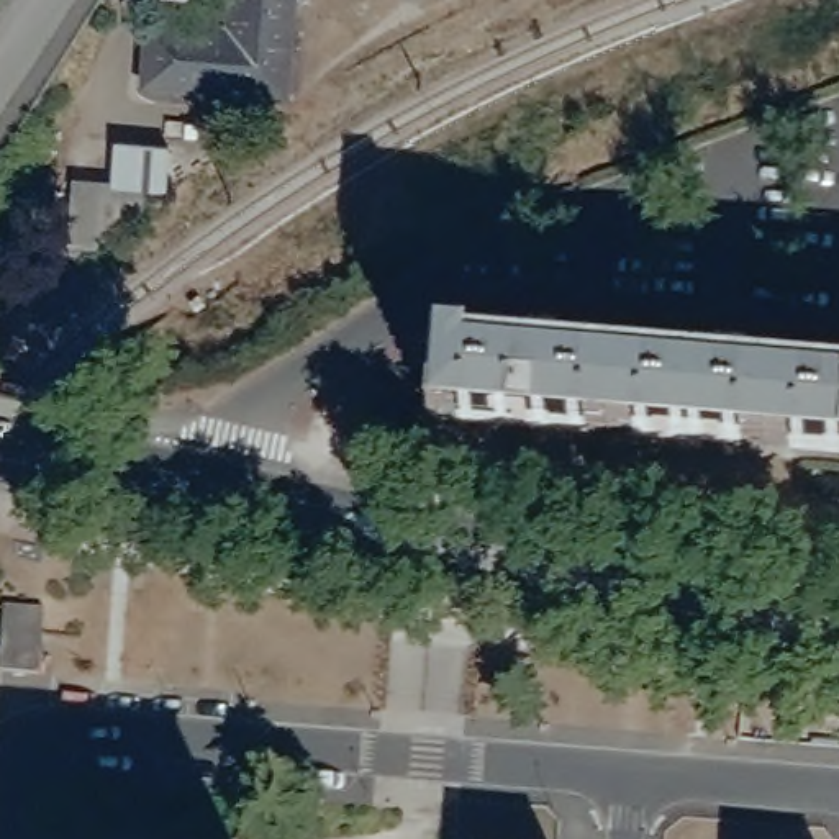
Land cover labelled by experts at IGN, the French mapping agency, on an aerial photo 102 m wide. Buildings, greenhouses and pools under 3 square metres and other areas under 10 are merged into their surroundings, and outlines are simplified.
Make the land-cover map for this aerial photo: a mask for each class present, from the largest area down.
<instances>
[{"label":"impervious surface","instance_id":"1","mask_svg":"<svg viewBox=\"0 0 839 839\"><path fill-rule=\"evenodd\" d=\"M92 0H0V151L10 147L13 134L20 131L23 118L29 115L33 102L43 95L49 75L62 66L79 29L88 23ZM75 98L82 102L72 111L79 118L75 144L69 151L75 167H66V180L72 184H108L118 144L164 147L174 164V174L167 180L177 187L190 184V177L200 170L216 167L203 141L197 138V125L213 115V102L200 88L187 95V102L147 98L138 88V75L131 72V49L118 36L115 43L105 39L98 46L92 62V82L75 92ZM819 105L826 111L829 138L839 141V85L816 95ZM760 138L751 125L744 121L737 128H724L688 144L698 154L695 170L708 177L714 193L708 223H678L669 229L652 226V220L642 216V206L626 197V190L633 187L629 174L616 170L613 161H603L574 174L570 184H554L547 177L521 170L505 154L495 157V164L485 170L495 190H505L515 200V193H531L537 197L534 210L544 213L554 206H574L577 216L567 223H554L547 229H537L524 220L501 223V216H495L498 249L478 265L482 279L462 298L452 285H446V279H429L420 292L416 315L397 338L390 334L377 302L367 311H361L354 321L338 328L321 344L302 357L279 364L262 380L216 403V416H197L180 423L170 416L164 420L161 410L147 423L151 442L157 449L121 472V485L128 492L144 495L147 505H161L170 492L190 498L206 495L216 505L223 495H243L246 488L262 482L275 495H285V508L298 531H315L321 537L331 528H344L354 537V551L364 557H380L383 541L367 518V492H354V482L338 459L347 456L354 433L367 426L383 397L403 390L416 393L423 387V370L429 367L426 344L433 305H459L465 311L485 315L724 331L839 344V147L829 157V174H806L813 187H826L816 206L803 216H777L773 203H780V197L790 190V180L777 177V161L764 154V147H757ZM59 449L52 433L33 426V400L20 403L0 397V485L7 482L10 492L36 478V465ZM141 551L131 541L118 544L111 570L105 646V682L111 688L121 682L128 577L125 560ZM501 544L488 547L482 541L462 551H442L446 574H452L456 580L501 577L528 596L541 590L547 570L541 564L534 570H515L501 557ZM626 567H574L567 583L580 593L593 587L600 606L613 610V593L623 590ZM665 610L672 613L675 626H688L701 616L705 606L698 603L692 587H682L678 596H665ZM734 626L741 633H777L780 639L770 646V655L793 652L800 636L796 619H790L777 606H767L757 613H737ZM475 655V646L465 626H459L456 619H442L429 646L410 642L406 633L397 629L390 636L387 708L377 718L364 714L361 708H318L282 701L249 708L229 682L216 695L200 688H170L144 701L134 692L95 695V688L75 682L52 685L49 678L56 675V659L49 652L39 659L36 669L0 665V839H229L226 826L213 810V796L239 800V773L246 754L275 751L279 757L295 760L298 770H321L315 806L324 810L328 803H351V810H361L364 803H374L403 810L397 829L344 839H439L446 790L524 793L531 800V810L551 806L557 813V839H665L675 819L701 816L718 823L724 806L800 813L806 819V829L823 826L832 832V839H839V751L793 747L787 744H767L751 737V744L741 747L721 741L718 747H705L701 737L574 724L541 731L511 728V721H465V714L459 711L462 672Z\"/></svg>","mask_w":839,"mask_h":839},{"label":"deciduous trees","instance_id":"2","mask_svg":"<svg viewBox=\"0 0 839 839\"><path fill-rule=\"evenodd\" d=\"M233 16L229 0H92L88 23L92 29L131 26L134 46H151L164 39L177 49L213 46L220 26ZM197 138L203 141L216 167V177L236 180L243 164L262 161L272 151L285 147V125L275 108H226L223 102H213V115L197 125ZM760 138L757 147H764V154L777 161V177L790 180V190L780 197V203H773L777 216H803L816 206L826 187H813L806 174H829V157L839 147V141L829 138L826 111L819 105V111L806 118L767 108L764 125H751ZM698 154L688 144H678L672 161H655L652 154H642L639 170L629 174L633 187L626 190V197L642 206V216L652 220V226L669 229L678 223H708L714 193L708 177L695 170ZM72 259L69 206H36L33 200H23L10 190L7 206L0 210V315L33 305L36 298L56 292ZM537 197L531 193H515V200L501 210V223L524 220L537 229H547L554 223H567L577 216L574 206H554L544 213L534 210ZM154 223L151 213L138 206L121 210L118 223H111L102 233L98 252L102 259L131 262L134 246L144 236H151ZM374 288L357 262L351 265L347 279H334L324 288H302L298 305L275 311L265 331L256 341L239 344L233 354H216L197 364L177 354V344L170 338H157L154 331L144 338H131L128 344L92 338L95 347L85 354V361H79L69 377L56 380L49 393L33 400V426L52 433L59 449L36 465V478L10 492L13 511L26 518V524L36 531V551L66 557L69 577L92 583L95 574L111 570L118 544L131 541L141 551L125 560L128 577L144 574L147 564H157L167 574L187 580L190 596L210 610L220 606L223 593H236V610L243 613H256L262 600L279 596L292 600V610L311 613L318 629H324L331 616L341 623V629H361L364 623L377 626L383 619H390L397 629L406 633L410 642L429 646L442 619H456L459 626H465L475 646L501 639L518 642L524 636L531 642L528 652L518 649V659L508 672L488 682L492 701L501 711H508L511 721V728L541 731L544 705L541 682L534 672L544 665H574L610 701H623L633 692H649V711H665L669 698H688L705 731H714L724 718L741 721L767 701L773 711V724L783 728L787 744L793 747L800 741V724H816L826 714H839V511L787 505L777 495L780 478L773 475L760 488H678L662 465H633L623 472H610L603 462L577 456L567 469H560L537 449H518L515 459L492 462L485 452H475L469 446H436L429 439V429L423 426H367L354 433L347 456L338 459L354 482V492H367V518L383 541L380 557H364L354 551V537L344 528H331L321 537L315 531H298L285 508V495H275L262 482L246 488L243 495H223L216 505L206 495L190 498L170 492L161 505H147L144 495L128 492L121 485V472L157 449L151 442L147 423L161 410V393L236 380L239 374L272 361L275 354L292 351L308 334H315L321 344L338 328L354 321L361 311L357 302L370 298ZM482 541L488 547L501 544V557L515 570H534L541 564L547 570L541 590L528 596L501 577L456 580L452 574H446L442 551H462ZM574 567H626L623 590L613 593V610L600 606L593 587L580 593L567 583ZM682 587H692L698 603L705 606L701 616L688 626H675L672 613L665 610V596H678ZM767 606H777L790 619H796L800 636L793 652L770 655V646L780 639L777 633H741L734 626L737 613H757Z\"/></svg>","mask_w":839,"mask_h":839},{"label":"herbaceous vegetation","instance_id":"3","mask_svg":"<svg viewBox=\"0 0 839 839\"><path fill-rule=\"evenodd\" d=\"M397 0H298L295 13L302 85L288 95L285 105L275 108L285 125V147L272 151L262 161L243 164L236 180L216 177V167L200 170L190 177V184L177 187L167 216H157L154 223L151 236H144L134 246L131 262L138 269L141 262L161 259L190 233H197V226L216 220L226 206L249 197L262 180L282 174L285 167L305 161L311 151L331 141L341 147L338 197L295 216L259 249L243 256L233 265V279L220 292L200 285L187 288L174 308L157 311L161 324L154 331L157 338H170L177 344V354L197 364L216 354H233L239 344L256 341L265 331L275 311L298 305L302 288H324L334 279H347L351 265L357 262L374 288L370 298L357 302L361 311H367L377 302L390 334L397 338L416 315L420 292L429 279H446V285H452L462 298L482 279L478 265L498 249L495 216H501V210L515 200L505 190H495L485 170L449 164L436 154L449 138L462 134V125L449 128L446 134H433L420 151H403L374 144L364 134V121L416 95L423 85L462 72L478 59H488L492 52L501 56L508 43L524 39L528 33L541 36L544 29L564 23L583 0H413L420 7L416 23L400 26L397 33L370 43L364 29H370ZM744 16H728L721 23H682L669 33L646 36L606 56H596L577 72L528 85L521 95H541L544 102L557 98L564 105V115H577L583 108H596L600 115L596 121H587L583 131L570 134L567 144L547 157V177L554 184H570L574 174L603 161H613L616 170L629 174L639 170L642 154H652L655 161H672L678 144L675 131L698 128L711 118L744 111V121L751 125H764L767 108L806 118L819 111V105L816 95L839 85V36L823 43L816 56L806 59V66L787 69L783 79H770L754 66H741V85H728L724 105H714L708 95H698L692 102V115L675 118L669 108V95L659 92L662 79L675 72H698L705 59L721 62L734 52H747L757 26L787 20V10L796 0H744ZM118 36L131 49L134 46L131 26L92 29L88 23L79 29L62 66L49 75L46 85H69V105L56 111V141L49 154L56 187H62L66 180V167H75L69 151L75 144L79 118L72 111L82 102L75 98V92L92 82V62L98 46L105 39L115 43ZM321 344L315 334H308L292 351L275 354L272 361L239 374L236 380L161 393V410L164 420L170 416L180 423L197 416H216V403L262 380L279 364L302 357ZM367 426H423L429 429V439L436 446H469L475 452H485L492 462L515 459L518 449H537L560 469H567L577 456L603 462L610 472H623L633 465H662L678 488H760L773 475L780 478L777 495L787 505L839 511V472L813 475L796 459H767L751 442H728L711 436H652L633 426L580 429L537 426L518 420H459L433 413L426 406L423 387L416 393L403 390L383 397ZM56 577H69L66 557L36 551V531L26 524V518L13 511L10 492L7 482L0 485V636L7 606H33L39 600L43 646L56 659V675L49 678L52 685L75 682L95 688V695L134 692L144 701L170 688H200L216 695L229 682L249 708L282 701L318 708H361L364 714L377 718L387 708L390 636L397 629L390 619H383L377 626L364 623L361 629H341V623L331 616L324 629H318L311 613L292 610V600L279 596L262 600L256 613H243L236 610V593H223L220 606L210 610L190 596L187 580L167 574L157 564H147L144 574L128 577L121 682L111 688L105 682V646L111 570L95 574L92 583L82 596L56 600L49 596L46 583ZM531 642L524 636L518 642L501 639L475 646V655L462 672L459 711L465 714V721H511L508 711H501L492 701L488 682L508 672L518 659V649L528 652ZM541 682L544 705L541 731L574 724L701 737L705 747H718L721 741L741 747L751 744V737L767 744H787L783 728L773 724V711L767 701L741 721L724 718L714 731H705L688 698H669L665 711H649V692H633L623 701H610L574 665H544L534 672ZM793 747L839 751V714H826L816 724H800V741ZM557 813L551 806L531 810V800L524 793L446 790L439 839H557ZM665 839H832V832L823 826L806 829V819L800 813L724 806L718 823L701 816L675 819Z\"/></svg>","mask_w":839,"mask_h":839},{"label":"building","instance_id":"4","mask_svg":"<svg viewBox=\"0 0 839 839\"><path fill-rule=\"evenodd\" d=\"M233 16L220 26L213 46L177 49L164 39L151 46H134L131 49V72L138 75V88L147 98L187 102V95L200 88L213 102H223L226 108H275L285 105L288 95L302 85L295 13L298 0H229ZM174 174V164L164 147L118 144L108 184H72L69 206L72 259L98 252L102 233L111 223H118L121 210L138 206L141 197L164 193L167 180ZM429 367L423 370V387L426 406L433 413L459 420H518L537 426L580 429L633 426L652 436H711L728 442H751L767 459H796L803 452H839V344L724 331L485 315L465 311L459 305H433L426 344ZM49 652L43 646L39 600L33 606H7L0 636V665L36 669L39 659Z\"/></svg>","mask_w":839,"mask_h":839},{"label":"pervious surface","instance_id":"5","mask_svg":"<svg viewBox=\"0 0 839 839\"><path fill-rule=\"evenodd\" d=\"M420 7L413 0H397L370 29H364L370 43L397 33L400 26L416 23ZM744 0H583L564 23L544 29L541 36L528 33L524 39L508 43L501 56L492 52L488 59H478L462 72L423 85L416 95L364 121V134L374 144L403 151H420L433 134H446L449 128L462 125L475 111L498 108L501 102L521 95L528 85L577 72L596 56H606L646 36L669 33L682 23H721L728 16H744ZM341 147L331 141L311 151L305 161L285 167L282 174L262 180L249 197L226 206L216 220L197 226V233H190L161 259L141 262L138 269L131 262L102 259L98 252L72 259L56 292L36 298L33 305L0 315V397L20 403L33 400L49 393L56 380L69 377L79 361H85V354L95 347L92 338L128 344L131 338H144L154 331L161 324L157 311L174 308L187 288L200 285L220 292L233 279V265L243 256L259 249L295 216L338 197Z\"/></svg>","mask_w":839,"mask_h":839},{"label":"brushwood","instance_id":"6","mask_svg":"<svg viewBox=\"0 0 839 839\"><path fill-rule=\"evenodd\" d=\"M839 36V0H796L787 10V20L757 26L747 52H734L721 62L705 59L698 72H675L662 79L659 92L669 95V108L675 118L692 115V102L698 95H708L714 105H724L728 85H741V66H754L770 79H783L787 69L806 66V59L816 56L823 43ZM69 105V85H46L43 95L33 102L29 115L23 118L20 131L13 134L10 147L0 151V210L7 206L10 190L23 200H33L36 206H69L72 184L66 180L62 187H56L49 154L56 141V111ZM600 115L596 108H583L577 115H564V105L557 98L544 102L541 95H521L501 102L498 108L475 111L462 125V134L449 138L436 154L449 164L485 170L495 164V157L505 154L521 170L547 177V157L567 144L570 134L583 131L587 121H596ZM744 121V111L711 118L698 128L675 131L678 144H688L724 128H737ZM177 187L167 180L164 193L141 197L138 206L151 213L154 223L157 216H167ZM796 459L813 475L839 472V452H803ZM49 596L56 600L82 596L92 583L69 577H56L46 583ZM213 810L226 826L229 839H344L397 829L403 810L374 803H364L361 810H351V803H328L324 810L315 806L292 829H275L256 826L252 816L243 813L239 800L213 796Z\"/></svg>","mask_w":839,"mask_h":839},{"label":"coniferous trees","instance_id":"7","mask_svg":"<svg viewBox=\"0 0 839 839\"><path fill-rule=\"evenodd\" d=\"M321 770H298L295 760L279 757L275 751L246 754L239 773V800L243 813L252 816L256 826L275 829H292L315 806Z\"/></svg>","mask_w":839,"mask_h":839}]
</instances>
